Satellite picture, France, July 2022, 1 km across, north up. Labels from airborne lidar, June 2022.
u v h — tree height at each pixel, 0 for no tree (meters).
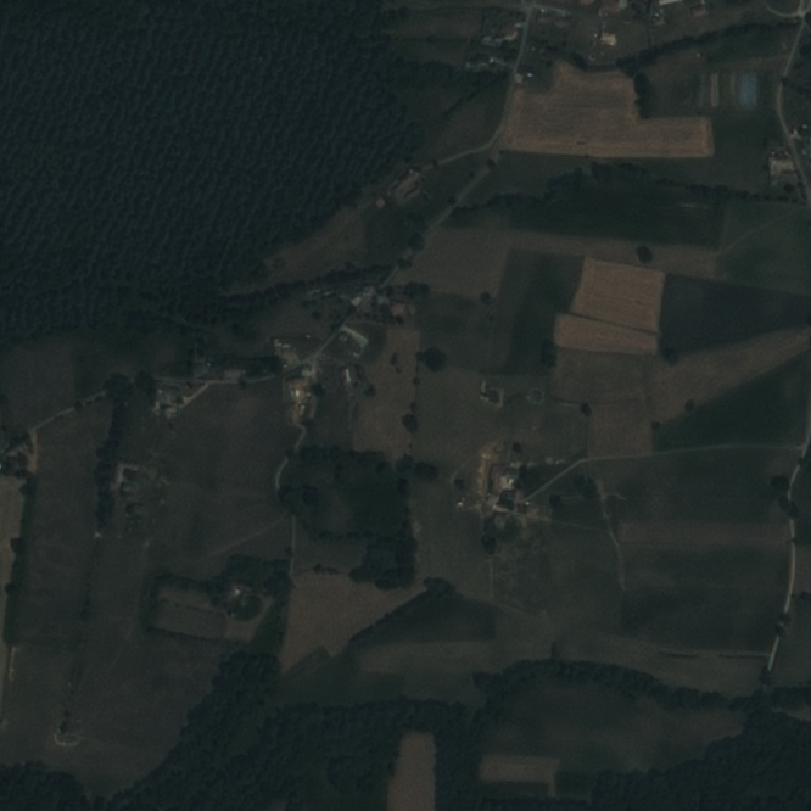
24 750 0
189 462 0
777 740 25
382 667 0
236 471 0
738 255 0
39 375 0
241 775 33
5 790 27
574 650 0
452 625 0
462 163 0
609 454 0
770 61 0
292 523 0
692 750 0
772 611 0
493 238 0
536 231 0
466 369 0
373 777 25
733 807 27
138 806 34
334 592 0
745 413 0
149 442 0
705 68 0
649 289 0
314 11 31
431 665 0
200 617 0
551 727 0
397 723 27
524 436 0
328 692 0
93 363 0
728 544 0
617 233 0
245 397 0
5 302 30
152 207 25
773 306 0
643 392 0
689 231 0
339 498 0
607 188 0
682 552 0
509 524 0
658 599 0
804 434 0
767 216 0
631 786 25
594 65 0
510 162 0
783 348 0
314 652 0
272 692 20
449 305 0
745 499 0
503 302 0
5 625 0
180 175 28
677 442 0
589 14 0
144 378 16
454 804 25
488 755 0
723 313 0
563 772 0
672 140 0
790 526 0
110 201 35
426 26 0
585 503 0
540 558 0
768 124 0
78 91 36
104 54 30
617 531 0
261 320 0
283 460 0
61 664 0
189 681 0
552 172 0
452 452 0
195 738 16
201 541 0
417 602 11
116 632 0
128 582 0
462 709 23
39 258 26
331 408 0
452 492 0
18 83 26
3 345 7
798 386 0
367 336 0
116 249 30
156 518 0
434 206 0
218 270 24
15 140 28
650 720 0
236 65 25
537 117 0
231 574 7
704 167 0
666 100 0
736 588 0
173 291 10
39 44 31
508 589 0
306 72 29
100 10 30
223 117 25
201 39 30
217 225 33
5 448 8
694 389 0
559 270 0
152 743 0
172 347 0
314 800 0
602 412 0
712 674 0
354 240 0
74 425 0
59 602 0
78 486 0
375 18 31
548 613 0
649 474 0
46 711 0
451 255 0
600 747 0
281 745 29
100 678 0
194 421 0
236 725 25
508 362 0
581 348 0
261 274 26
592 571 0
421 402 0
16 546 14
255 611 0
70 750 0
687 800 30
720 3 0
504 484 0
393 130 31
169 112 32
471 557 0
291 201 31
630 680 21
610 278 0
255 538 0
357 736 26
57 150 21
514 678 23
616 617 0
